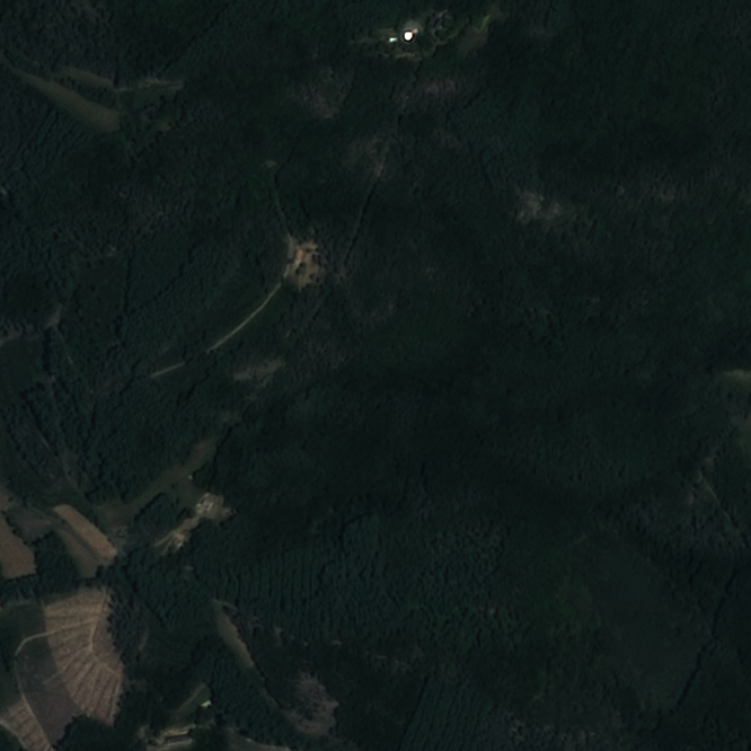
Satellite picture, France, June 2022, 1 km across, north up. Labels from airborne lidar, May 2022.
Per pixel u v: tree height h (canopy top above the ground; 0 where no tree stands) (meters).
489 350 26
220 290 37
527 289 16
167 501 29
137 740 12
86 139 21
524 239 19
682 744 17
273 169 8
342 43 15
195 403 30
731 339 23
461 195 17
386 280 12
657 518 12
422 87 12
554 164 28
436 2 16
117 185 17
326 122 12
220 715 11
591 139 24
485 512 16
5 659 11
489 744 19
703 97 17
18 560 0
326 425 19
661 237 14
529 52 21
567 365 14
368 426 20
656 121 21
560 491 19
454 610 9
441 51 12
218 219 11
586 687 9
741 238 13
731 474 17
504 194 22
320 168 19
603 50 11
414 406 22
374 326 11
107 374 17
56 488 0
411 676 11
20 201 23
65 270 32
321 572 17
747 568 22
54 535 15
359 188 17
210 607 28
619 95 25
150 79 22
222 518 0
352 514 13
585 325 12
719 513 14
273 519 21
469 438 29
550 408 20
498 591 16
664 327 16
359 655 10
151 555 26
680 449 15
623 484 15
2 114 22
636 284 16
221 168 17
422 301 16
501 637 15
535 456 21
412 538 19
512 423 21
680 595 14
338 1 26
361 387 36
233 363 13
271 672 15
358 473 22
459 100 17
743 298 17
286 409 25
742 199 11
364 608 30
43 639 0
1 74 12
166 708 15
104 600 0
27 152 21
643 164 24
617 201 9
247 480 36
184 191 16
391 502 20
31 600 23
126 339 25
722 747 18
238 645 0
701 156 21
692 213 11
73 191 11
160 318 30
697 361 26
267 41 19
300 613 30
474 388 26
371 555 26
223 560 23
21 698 0
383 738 10
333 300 14
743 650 23
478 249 23
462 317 17
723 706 19
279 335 14
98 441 31
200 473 14
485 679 13
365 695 10
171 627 29
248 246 17
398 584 15
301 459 29
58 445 33
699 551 19
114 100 12
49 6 11
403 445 18
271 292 14
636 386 25
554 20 27
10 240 23
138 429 29
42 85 0
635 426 24
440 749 24
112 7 14
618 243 20
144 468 25
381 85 16
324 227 11
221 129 18
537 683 14
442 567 17
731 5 17
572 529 23
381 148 15
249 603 14
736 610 28
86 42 18
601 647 8
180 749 0
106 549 0
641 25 21
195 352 21
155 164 25
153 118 19
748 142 22
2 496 0
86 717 10
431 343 20
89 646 0
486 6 15
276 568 15
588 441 19
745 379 0
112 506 0
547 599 12
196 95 15
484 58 12
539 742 16
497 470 25
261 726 26
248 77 11
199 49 24
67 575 25
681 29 21
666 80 25
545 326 16
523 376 29
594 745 11
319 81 12
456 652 10
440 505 21
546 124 24
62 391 16
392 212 26
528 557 16
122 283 0
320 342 16
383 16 30
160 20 11
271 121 17
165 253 20
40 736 0
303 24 15
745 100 22
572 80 13
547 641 18
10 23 12
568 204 8
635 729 14
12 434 17
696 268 14
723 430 8
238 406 9
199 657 18
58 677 0
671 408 25
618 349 17
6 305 18
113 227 19
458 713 17
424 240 15
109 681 0
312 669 11
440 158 13
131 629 18
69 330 14
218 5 14
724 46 29
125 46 9
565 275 16
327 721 0
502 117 28
